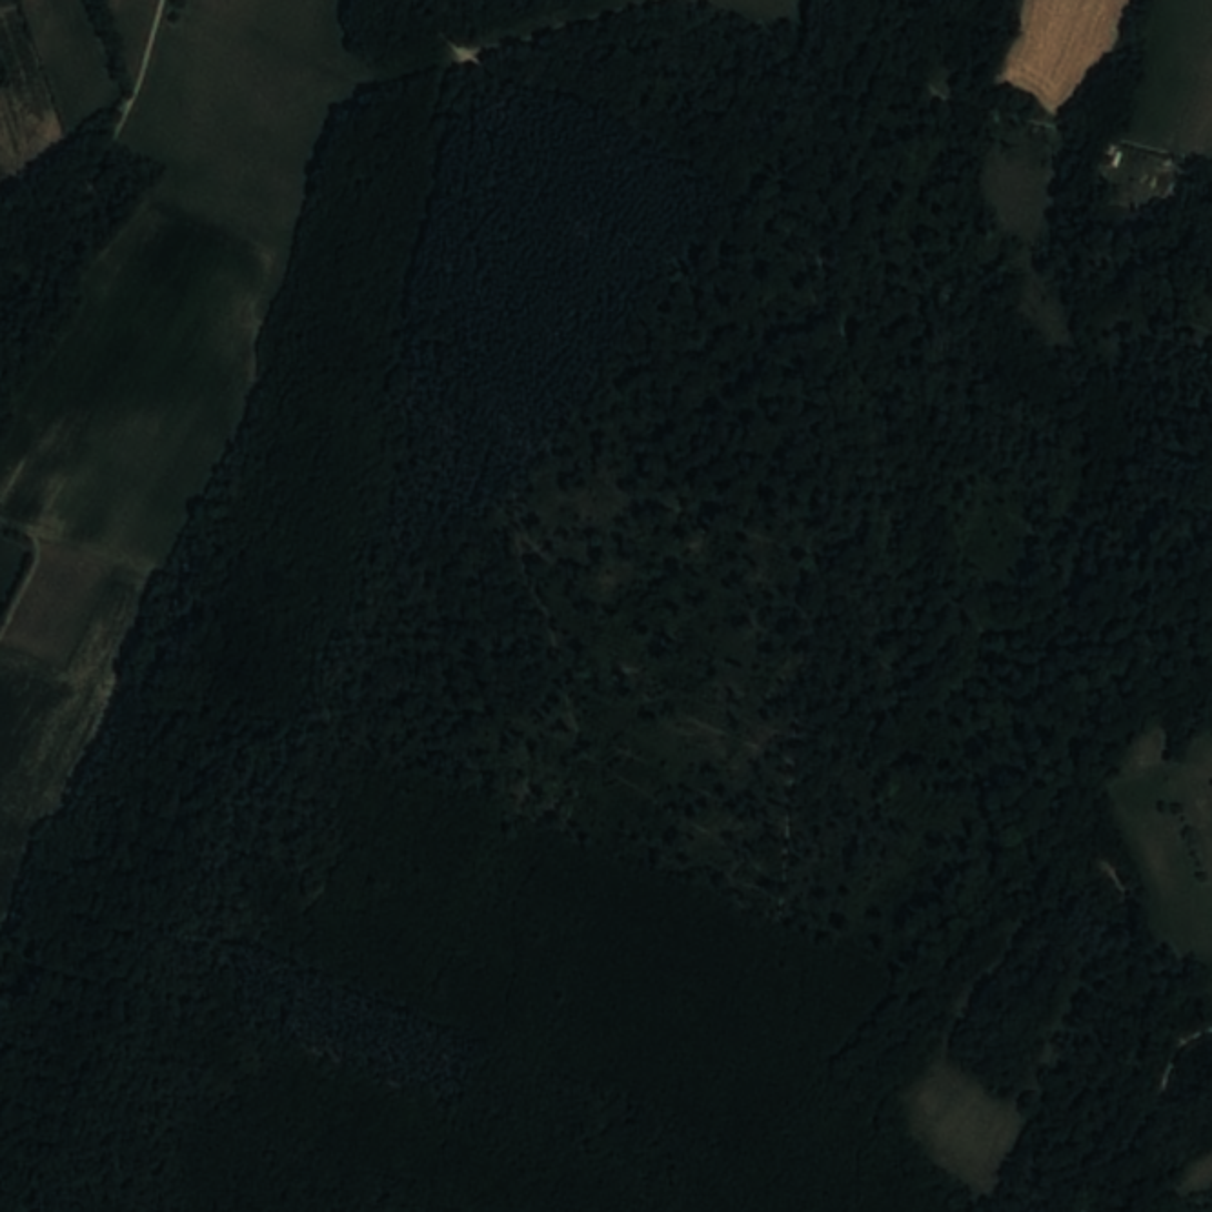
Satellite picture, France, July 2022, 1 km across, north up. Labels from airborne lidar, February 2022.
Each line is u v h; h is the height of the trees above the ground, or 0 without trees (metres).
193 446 0
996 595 20
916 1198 12
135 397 0
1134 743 26
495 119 22
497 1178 12
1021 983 19
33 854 14
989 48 21
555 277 25
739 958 12
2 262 25
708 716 0
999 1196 10
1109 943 37
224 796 30
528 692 21
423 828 8
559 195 23
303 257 9
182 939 16
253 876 20
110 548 0
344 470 11
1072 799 32
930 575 21
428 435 19
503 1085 13
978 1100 0
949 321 25
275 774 15
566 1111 19
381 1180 15
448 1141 10
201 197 0
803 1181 12
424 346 23
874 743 23
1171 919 0
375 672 20
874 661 24
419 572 21
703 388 17
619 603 7
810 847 21
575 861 8
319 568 11
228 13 0
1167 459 22
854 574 24
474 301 21
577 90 24
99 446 0
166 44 0
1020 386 12
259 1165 15
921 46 33
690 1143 17
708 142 21
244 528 14
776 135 26
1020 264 0
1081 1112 19
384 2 25
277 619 14
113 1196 16
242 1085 8
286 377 8
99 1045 20
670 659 27
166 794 22
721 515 29
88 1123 18
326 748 16
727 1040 12
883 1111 21
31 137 0
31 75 0
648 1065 12
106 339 0
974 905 17
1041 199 0
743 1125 13
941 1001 12
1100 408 16
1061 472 29
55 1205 20
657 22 15
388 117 14
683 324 16
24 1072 18
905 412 31
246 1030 6
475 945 10
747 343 24
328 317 11
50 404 0
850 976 9
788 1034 9
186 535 6
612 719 0
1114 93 21
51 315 21
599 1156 20
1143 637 30
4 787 0
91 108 0
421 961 8
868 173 27
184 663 26
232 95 0
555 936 12
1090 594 27
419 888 10
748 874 6
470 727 19
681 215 29
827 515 25
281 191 0
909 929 27
